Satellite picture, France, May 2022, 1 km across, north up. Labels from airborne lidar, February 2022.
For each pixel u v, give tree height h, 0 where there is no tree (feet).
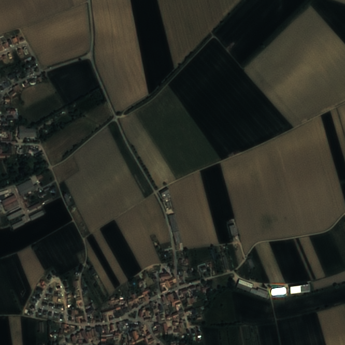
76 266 0
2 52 0
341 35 0
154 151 0
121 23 0
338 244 0
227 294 0
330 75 0
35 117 0
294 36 0
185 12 0
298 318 0
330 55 0
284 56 0
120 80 0
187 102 0
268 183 0
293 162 0
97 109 0
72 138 0
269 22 0
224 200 0
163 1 0
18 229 0
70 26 0
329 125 0
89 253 0
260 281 0
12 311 0
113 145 0
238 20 0
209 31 0
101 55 0
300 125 0
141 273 0
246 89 0
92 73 0
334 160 0
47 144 0
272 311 0
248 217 0
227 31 0
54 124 31
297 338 0
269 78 0
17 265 0
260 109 0
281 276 0
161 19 0
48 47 0
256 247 0
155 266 0
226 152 0
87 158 0
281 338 0
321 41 0
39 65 0
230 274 0
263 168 0
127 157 0
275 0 0
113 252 0
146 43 0
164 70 0
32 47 0
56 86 0
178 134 0
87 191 0
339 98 0
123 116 0
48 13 0
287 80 0
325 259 0
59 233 0
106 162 0
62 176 0
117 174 0
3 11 0
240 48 0
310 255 0
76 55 0
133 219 0
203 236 0
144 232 0
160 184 0
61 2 0
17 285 0
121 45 0
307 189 0
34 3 0
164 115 0
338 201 0
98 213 0
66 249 0
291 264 0
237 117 0
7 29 0
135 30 0
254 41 0
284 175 0
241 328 0
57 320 0
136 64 0
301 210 0
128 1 0
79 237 0
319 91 0
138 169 0
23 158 23
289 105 0
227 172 0
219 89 0
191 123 0
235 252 0
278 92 0
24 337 0
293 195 0
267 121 0
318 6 0
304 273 0
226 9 0
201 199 0
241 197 0
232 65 0
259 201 0
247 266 0
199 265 0
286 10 0
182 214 0
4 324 0
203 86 0
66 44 0
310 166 0
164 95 0
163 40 0
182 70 0
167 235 0
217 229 0
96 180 0
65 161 0
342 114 0
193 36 0
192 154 0
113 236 0
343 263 0
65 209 0
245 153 0
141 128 0
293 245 0
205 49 0
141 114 0
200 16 0
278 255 0
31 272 0
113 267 0
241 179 0
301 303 0
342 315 0
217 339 0
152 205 0
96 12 0
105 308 0
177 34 0
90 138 0
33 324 0
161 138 0
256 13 0
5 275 0
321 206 0
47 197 0
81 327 0
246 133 0
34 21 0
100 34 0
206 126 0
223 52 0
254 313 0
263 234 0
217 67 0
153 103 0
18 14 0
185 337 18
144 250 0
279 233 0
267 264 0
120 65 0
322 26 0
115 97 0
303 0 0
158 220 0
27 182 0
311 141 0
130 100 0
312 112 0
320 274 0
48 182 0
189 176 0
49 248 0
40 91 0
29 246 0
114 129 0
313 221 0
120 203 0
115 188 0
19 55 0
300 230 0
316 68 0
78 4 0
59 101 0
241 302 0
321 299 0
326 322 0
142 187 0
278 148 0
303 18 0
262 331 0
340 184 0
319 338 0
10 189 0
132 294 0
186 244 0
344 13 0
